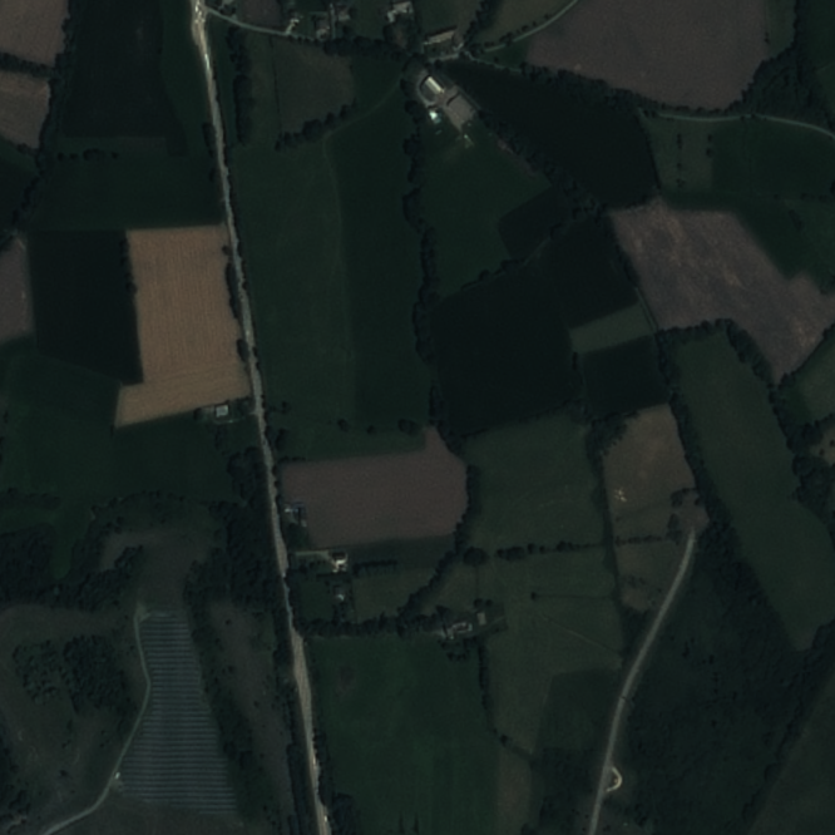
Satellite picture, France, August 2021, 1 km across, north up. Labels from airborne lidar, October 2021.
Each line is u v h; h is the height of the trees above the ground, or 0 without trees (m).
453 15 0
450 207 0
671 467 0
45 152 17
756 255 0
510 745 12
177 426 0
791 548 0
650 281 0
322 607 0
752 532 0
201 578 8
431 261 19
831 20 0
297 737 12
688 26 0
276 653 11
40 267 0
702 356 0
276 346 0
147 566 0
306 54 0
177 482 0
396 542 0
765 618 7
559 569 0
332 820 16
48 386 0
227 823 0
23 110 0
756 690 6
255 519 6
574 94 22
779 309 0
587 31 0
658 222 0
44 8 0
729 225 0
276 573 9
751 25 0
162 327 0
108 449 0
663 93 0
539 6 0
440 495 0
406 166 0
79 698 17
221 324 0
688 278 0
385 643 0
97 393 0
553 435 0
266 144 0
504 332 0
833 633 11
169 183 0
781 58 13
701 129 0
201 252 0
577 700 0
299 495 0
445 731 0
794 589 0
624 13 0
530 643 0
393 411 0
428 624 17
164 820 0
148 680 0
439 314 0
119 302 0
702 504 13
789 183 0
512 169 0
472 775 0
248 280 6
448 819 0
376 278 0
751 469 0
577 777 6
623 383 0
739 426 0
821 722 0
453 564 23
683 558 0
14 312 0
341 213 0
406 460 0
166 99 0
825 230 0
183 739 0
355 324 0
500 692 0
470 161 0
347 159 0
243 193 0
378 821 0
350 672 0
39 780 0
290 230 0
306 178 0
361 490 0
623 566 0
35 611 0
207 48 0
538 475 0
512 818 0
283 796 0
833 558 0
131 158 0
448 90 0
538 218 0
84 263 0
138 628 0
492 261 0
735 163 0
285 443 14
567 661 0
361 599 0
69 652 14
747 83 0
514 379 0
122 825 0
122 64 0
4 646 0
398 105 0
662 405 0
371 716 0
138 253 0
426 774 0
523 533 0
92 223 0
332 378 0
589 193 7
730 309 0
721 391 0
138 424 0
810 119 6
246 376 0
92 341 0
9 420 8
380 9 0
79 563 6
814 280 0
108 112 0
